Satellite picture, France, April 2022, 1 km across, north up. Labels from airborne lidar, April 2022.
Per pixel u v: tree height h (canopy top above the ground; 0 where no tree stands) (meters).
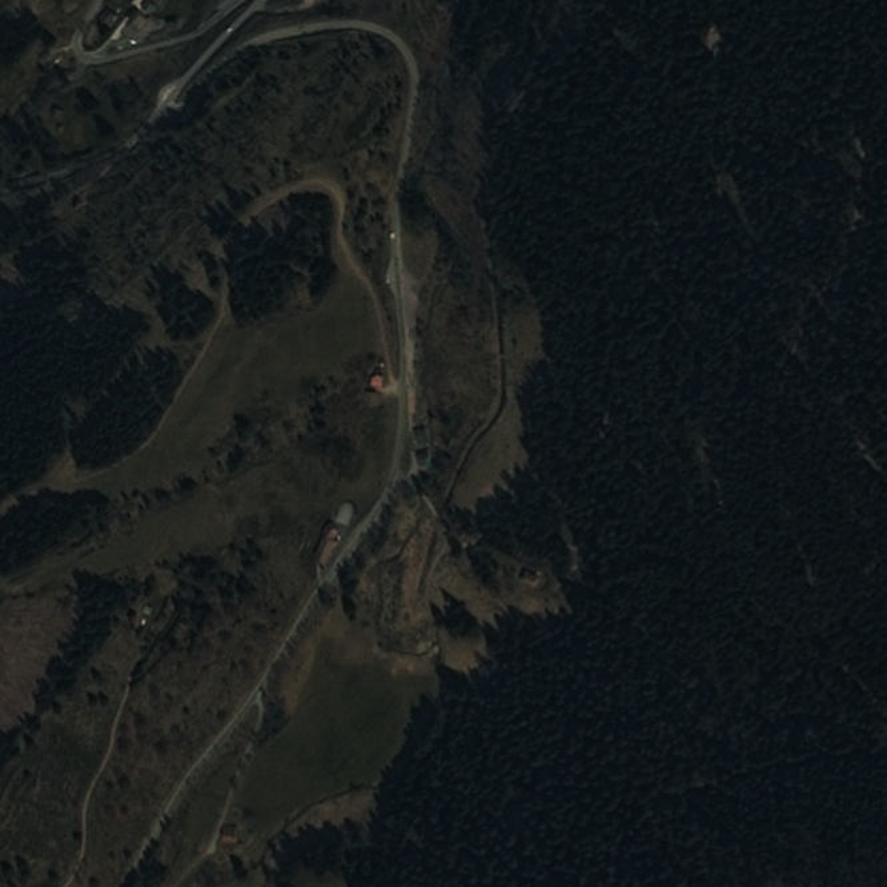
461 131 20
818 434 28
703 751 27
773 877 30
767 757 25
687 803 33
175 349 0
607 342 29
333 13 11
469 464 0
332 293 0
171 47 0
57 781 0
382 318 0
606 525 37
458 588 0
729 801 10
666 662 32
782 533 28
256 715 0
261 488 0
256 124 0
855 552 23
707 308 14
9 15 14
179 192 0
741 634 31
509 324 0
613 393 32
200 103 8
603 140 35
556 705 37
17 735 18
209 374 0
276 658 0
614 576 35
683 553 16
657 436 28
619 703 12
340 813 0
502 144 30
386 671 0
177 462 0
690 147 35
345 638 0
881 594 22
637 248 35
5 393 26
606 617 15
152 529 0
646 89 37
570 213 39
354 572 22
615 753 37
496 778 30
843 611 30
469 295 11
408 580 0
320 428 17
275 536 0
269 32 0
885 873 21
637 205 36
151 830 0
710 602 30
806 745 24
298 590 0
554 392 35
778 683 37
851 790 22
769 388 26
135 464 0
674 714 17
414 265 0
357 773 0
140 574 0
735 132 37
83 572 0
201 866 0
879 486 27
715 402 30
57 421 24
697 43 37
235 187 0
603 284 40
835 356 29
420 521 0
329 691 0
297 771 0
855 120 30
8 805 0
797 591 28
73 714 0
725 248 33
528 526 30
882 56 32
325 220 16
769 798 21
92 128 0
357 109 0
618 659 25
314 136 0
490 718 37
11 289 0
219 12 0
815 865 19
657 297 38
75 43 0
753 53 32
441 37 6
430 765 18
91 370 28
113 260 0
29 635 0
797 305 29
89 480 0
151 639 16
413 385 0
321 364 0
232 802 0
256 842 0
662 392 30
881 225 20
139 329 29
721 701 26
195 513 0
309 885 0
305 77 6
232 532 0
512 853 38
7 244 34
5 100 0
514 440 0
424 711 0
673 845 28
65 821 0
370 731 0
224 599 12
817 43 34
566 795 34
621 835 28
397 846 29
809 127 24
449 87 20
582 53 29
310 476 0
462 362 0
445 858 33
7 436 24
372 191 19
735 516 25
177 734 16
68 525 21
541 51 30
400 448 0
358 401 12
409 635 0
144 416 25
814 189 26
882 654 24
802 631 32
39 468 29
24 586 0
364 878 25
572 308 35
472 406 0
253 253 17
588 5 23
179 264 0
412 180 21
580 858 29
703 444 0
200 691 0
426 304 12
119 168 11
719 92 26
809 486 23
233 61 10
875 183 14
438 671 0
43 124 16
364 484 0
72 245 13
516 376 0
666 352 10
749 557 26
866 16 31
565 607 0
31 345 25
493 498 0
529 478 0
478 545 10
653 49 29
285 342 0
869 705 34
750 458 27
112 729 0
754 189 28
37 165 0
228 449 0
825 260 30
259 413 0
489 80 0
